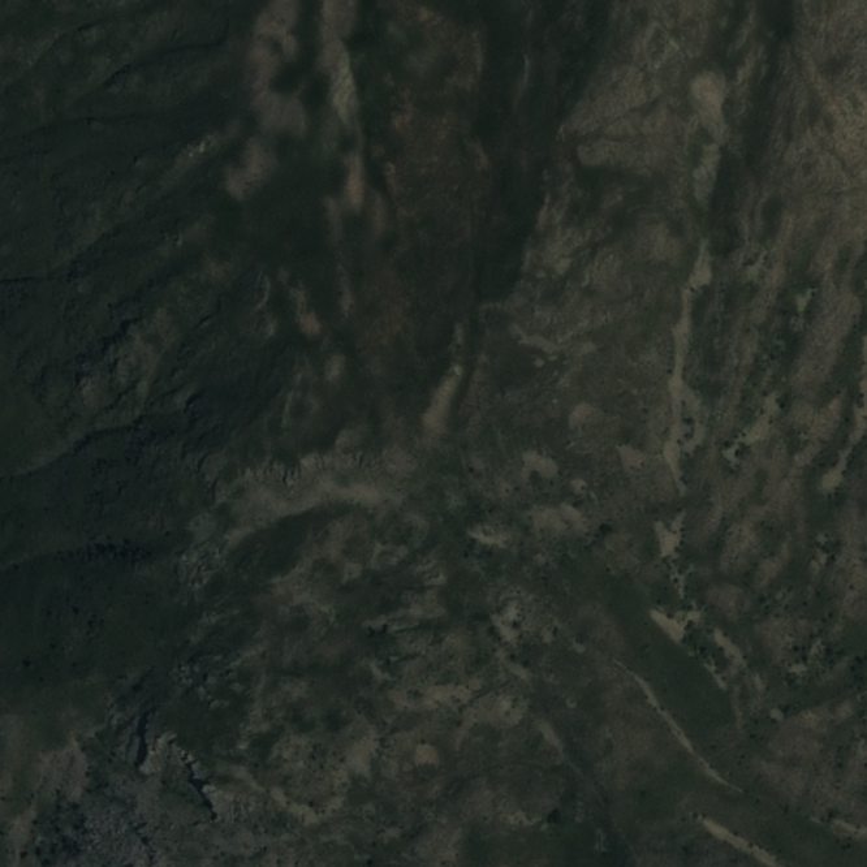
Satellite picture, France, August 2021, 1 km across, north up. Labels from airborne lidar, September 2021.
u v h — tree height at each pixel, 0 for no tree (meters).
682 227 0
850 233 0
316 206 0
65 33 0
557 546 0
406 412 0
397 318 0
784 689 0
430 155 0
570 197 0
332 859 0
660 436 0
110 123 0
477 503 0
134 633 0
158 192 0
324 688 0
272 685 0
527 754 0
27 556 0
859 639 0
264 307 0
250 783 0
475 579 0
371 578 0
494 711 0
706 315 0
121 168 0
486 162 0
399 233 0
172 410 0
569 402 0
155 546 0
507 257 0
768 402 0
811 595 0
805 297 0
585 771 0
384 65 0
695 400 0
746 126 0
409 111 0
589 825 0
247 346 0
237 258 0
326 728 0
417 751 0
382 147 0
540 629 0
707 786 0
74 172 0
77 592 0
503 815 0
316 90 0
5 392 0
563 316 0
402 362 0
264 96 0
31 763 0
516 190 0
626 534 0
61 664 0
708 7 0
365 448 0
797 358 0
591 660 0
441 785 0
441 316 0
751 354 0
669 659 0
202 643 0
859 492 0
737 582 0
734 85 0
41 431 0
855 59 0
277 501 0
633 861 0
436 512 0
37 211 0
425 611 0
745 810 0
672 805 0
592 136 0
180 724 0
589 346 0
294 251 0
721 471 0
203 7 0
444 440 0
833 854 0
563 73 0
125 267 0
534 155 0
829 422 0
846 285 0
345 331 0
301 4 0
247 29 0
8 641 0
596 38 0
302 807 0
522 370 0
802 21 0
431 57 0
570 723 0
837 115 0
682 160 0
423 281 0
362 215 0
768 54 0
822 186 0
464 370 0
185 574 0
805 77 0
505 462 0
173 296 0
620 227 0
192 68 0
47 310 0
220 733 0
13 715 0
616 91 0
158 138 0
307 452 0
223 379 0
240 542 0
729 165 0
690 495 0
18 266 0
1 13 0
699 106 0
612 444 0
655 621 0
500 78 0
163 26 0
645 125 0
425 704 0
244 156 0
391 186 0
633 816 0
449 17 0
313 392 0
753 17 0
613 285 0
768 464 0
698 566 0
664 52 0
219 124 0
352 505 0
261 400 0
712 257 0
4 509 0
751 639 0
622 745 0
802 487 0
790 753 0
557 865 0
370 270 0
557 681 0
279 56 0
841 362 0
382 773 0
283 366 0
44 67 0
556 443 0
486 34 0
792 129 0
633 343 0
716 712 0
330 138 0
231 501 0
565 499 0
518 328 0
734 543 0
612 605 0
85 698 0
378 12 0
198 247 0
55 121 0
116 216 0
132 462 7
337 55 0
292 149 0
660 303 0
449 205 0
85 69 0
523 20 0
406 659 0
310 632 0
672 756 0
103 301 0
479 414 0
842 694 0
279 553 0
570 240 0
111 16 0
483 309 0
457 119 0
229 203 0
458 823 0
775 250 0
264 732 0
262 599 0
